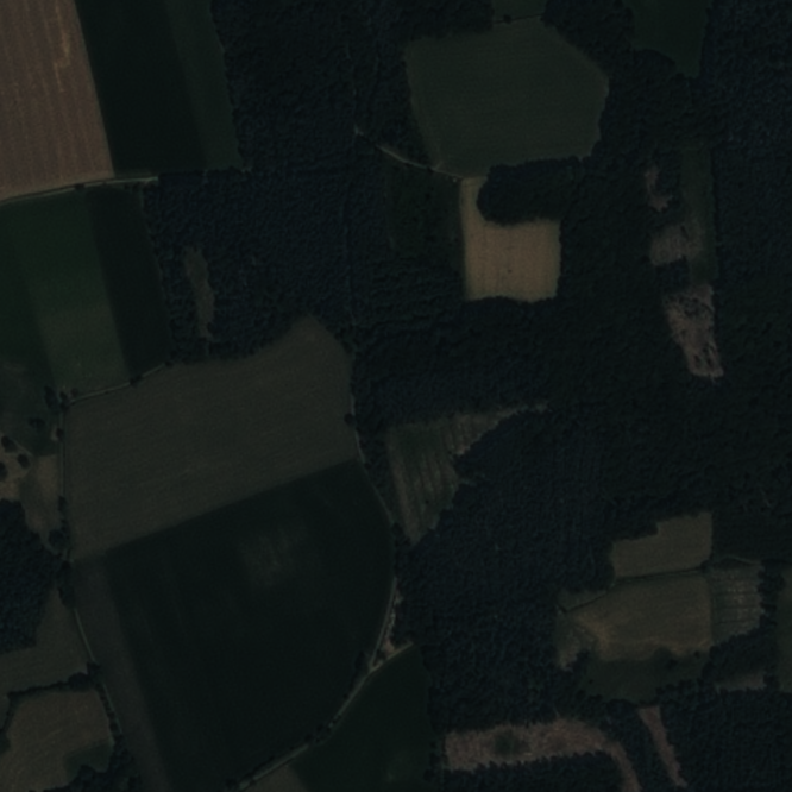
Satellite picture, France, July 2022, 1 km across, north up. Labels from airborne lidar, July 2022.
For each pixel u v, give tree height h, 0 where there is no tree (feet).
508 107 0
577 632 0
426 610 73
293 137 79
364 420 61
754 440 89
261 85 53
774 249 68
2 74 0
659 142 73
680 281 87
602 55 81
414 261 29
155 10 0
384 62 68
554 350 74
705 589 0
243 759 0
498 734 0
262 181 91
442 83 0
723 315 77
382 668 0
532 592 58
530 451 66
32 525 0
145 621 0
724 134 65
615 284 78
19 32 0
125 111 0
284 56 75
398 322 33
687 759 68
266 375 0
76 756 0
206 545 0
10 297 0
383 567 0
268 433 0
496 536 56
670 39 0
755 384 75
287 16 74
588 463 65
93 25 0
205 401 0
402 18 66
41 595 64
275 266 71
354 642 0
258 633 0
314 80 67
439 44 0
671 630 0
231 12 71
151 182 0
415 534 0
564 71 0
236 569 0
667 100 83
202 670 0
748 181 69
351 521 0
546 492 68
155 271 0
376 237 89
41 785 0
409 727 0
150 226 55
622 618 0
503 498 50
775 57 88
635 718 105
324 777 0
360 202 76
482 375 73
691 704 59
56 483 0
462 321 94
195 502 0
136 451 0
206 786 0
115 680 0
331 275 77
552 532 76
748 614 0
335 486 0
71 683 43
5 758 0
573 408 65
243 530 0
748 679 0
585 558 60
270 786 0
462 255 0
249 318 88
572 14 89
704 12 0
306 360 0
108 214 0
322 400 0
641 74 87
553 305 64
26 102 0
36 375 0
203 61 0
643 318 83
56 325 0
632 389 76
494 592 72
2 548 74
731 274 83
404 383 89
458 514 51
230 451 0
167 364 32
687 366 81
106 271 0
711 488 63
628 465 66
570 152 0
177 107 0
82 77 0
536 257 0
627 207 89
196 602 0
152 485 0
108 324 0
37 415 0
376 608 0
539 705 35
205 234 88
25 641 79
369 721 0
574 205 83
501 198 86
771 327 66
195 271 0
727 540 18
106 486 0
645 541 0
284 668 0
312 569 0
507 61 0
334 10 71
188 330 75
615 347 80
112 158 0
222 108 0
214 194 83
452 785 67
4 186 0
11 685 0
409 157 25
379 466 64
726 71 87
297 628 0
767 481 76
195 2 0
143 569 0
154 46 0
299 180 74
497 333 79
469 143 0
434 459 0
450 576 73
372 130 66
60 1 0
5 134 0
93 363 0
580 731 0
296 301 52
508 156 0
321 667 0
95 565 0
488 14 71
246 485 0
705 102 84
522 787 69
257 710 0
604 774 72
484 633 71
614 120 87
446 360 73
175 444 0
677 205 63
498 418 0
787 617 0
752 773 56
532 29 0
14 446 35
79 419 0
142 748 0
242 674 0
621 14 82
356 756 0
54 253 0
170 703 0
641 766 97
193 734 0
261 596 0
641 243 86
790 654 0
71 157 0
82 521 0
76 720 0
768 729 54
